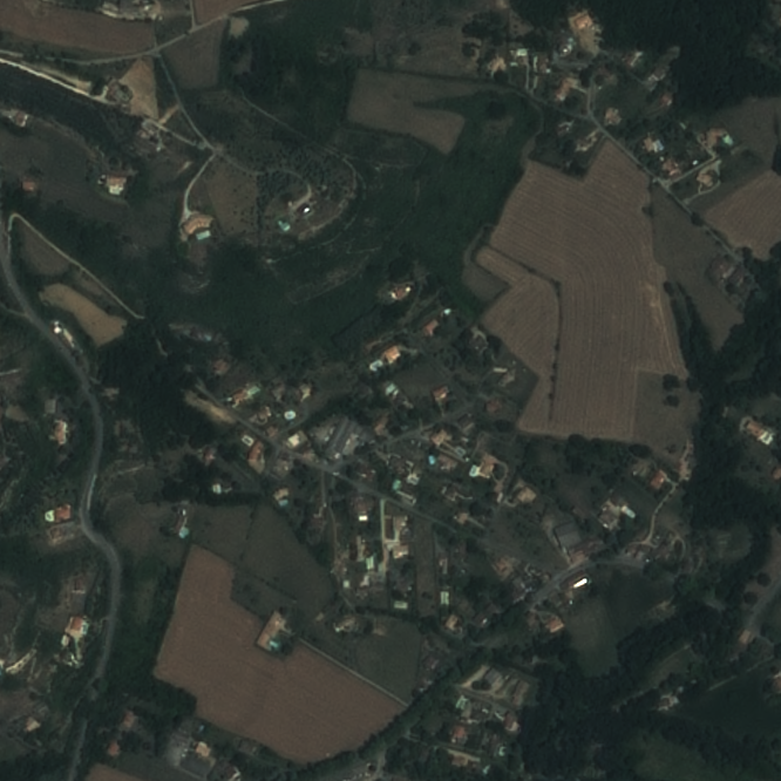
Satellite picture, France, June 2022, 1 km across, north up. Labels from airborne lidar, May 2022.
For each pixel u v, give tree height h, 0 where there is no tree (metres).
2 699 0
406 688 0
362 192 9
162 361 11
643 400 0
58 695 6
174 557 0
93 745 16
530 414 0
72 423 11
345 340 16
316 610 0
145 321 13
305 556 0
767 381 25
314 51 8
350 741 0
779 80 22
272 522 0
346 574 0
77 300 0
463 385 6
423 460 0
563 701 26
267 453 9
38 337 7
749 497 16
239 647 0
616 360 0
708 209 0
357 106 0
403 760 12
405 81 0
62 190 0
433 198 6
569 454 9
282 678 0
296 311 7
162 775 0
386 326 12
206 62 0
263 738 0
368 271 14
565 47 0
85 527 0
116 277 7
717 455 20
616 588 0
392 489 6
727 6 26
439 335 18
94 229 10
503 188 7
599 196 0
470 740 6
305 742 0
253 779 7
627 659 21
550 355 0
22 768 17
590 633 0
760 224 0
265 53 19
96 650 6
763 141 0
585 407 0
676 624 22
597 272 0
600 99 0
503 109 14
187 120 10
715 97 15
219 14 0
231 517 0
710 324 0
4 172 6
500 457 6
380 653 0
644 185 0
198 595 0
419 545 0
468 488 7
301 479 13
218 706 0
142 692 9
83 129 9
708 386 18
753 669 13
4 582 0
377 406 9
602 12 17
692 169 10
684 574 6
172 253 6
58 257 0
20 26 0
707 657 14
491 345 10
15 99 7
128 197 7
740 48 24
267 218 10
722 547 0
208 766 0
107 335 0
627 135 9
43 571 6
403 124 0
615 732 36
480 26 11
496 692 0
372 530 7
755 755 16
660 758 0
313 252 6
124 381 21
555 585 0
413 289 7
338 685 0
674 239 0
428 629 11
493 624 8
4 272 0
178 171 0
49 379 9
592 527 12
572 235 0
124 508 0
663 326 0
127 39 0
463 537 7
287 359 6
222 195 0
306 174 7
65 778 20
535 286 0
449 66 0
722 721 0
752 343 25
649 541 0
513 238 0
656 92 11
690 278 0
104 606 7
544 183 0
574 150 12
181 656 0
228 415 0
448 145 0
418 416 12
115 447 9
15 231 8
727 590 6
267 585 7
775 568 0
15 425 9
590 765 6
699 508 18
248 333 6
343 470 0
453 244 10
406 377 0
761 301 21
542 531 0
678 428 0
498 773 14
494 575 0
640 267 0
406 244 10
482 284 0
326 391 0
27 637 7
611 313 0
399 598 7
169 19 0
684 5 28
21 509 12
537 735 32
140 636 6
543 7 12
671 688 14
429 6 8
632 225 0
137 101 0
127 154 8
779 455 11
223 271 6
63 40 0
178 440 9
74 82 0
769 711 0
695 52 17
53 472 18
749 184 0
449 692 18
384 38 0
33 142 0
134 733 8
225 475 11
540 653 16
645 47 10
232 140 10
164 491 13
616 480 12
